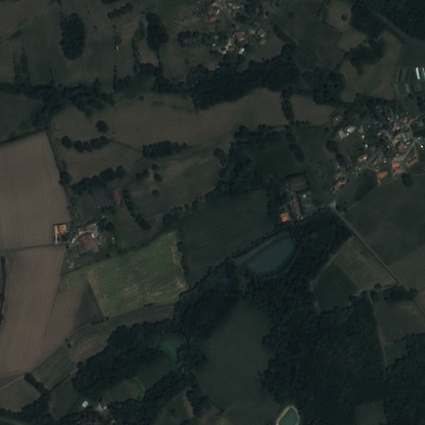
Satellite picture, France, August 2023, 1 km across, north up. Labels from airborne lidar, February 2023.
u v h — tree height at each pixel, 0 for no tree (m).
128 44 0
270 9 0
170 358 0
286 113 26
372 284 0
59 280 0
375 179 0
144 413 25
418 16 16
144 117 0
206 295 22
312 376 25
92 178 0
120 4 0
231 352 0
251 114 0
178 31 0
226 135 0
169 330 23
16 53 0
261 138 17
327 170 0
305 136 0
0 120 0
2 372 0
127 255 0
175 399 0
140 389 0
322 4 0
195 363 28
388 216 0
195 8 0
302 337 21
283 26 0
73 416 8
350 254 0
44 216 0
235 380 0
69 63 0
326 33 0
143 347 24
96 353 0
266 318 0
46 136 0
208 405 23
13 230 0
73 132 0
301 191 6
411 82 0
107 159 0
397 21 11
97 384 27
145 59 0
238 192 21
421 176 0
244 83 22
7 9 0
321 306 0
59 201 0
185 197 0
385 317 0
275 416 0
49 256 0
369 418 0
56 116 0
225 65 9
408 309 0
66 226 0
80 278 0
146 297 0
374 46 22
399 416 17
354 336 18
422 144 0
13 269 0
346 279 0
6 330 0
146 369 0
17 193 0
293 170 0
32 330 0
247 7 8
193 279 0
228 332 0
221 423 0
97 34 0
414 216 0
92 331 0
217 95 22
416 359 19
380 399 14
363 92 0
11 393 0
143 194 0
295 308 26
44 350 0
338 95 0
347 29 0
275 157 0
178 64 0
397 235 0
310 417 24
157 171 17
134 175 0
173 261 0
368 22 14
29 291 0
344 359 19
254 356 0
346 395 17
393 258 0
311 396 20
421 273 0
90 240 0
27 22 0
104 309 0
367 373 16
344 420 15
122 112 0
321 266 13
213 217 0
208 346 0
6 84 6
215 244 0
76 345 0
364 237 0
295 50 21
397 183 0
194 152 0
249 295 20
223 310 16
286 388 29
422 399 20
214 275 21
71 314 0
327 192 0
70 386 0
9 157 0
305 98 0
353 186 0
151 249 0
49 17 0
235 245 0
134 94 0
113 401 0
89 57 0
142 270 0
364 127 0
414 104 0
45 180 0
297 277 11
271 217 18
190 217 0
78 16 11
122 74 0
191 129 0
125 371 30
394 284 0
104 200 0
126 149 0
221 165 0
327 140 0
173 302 0
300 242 18
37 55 0
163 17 0
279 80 16
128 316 0
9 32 0
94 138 0
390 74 0
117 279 0
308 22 0
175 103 0
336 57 0
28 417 22
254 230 0
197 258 0
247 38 0
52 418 22
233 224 0
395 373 14
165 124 0
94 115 0
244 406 0
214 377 0
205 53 0
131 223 0
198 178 0
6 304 0
